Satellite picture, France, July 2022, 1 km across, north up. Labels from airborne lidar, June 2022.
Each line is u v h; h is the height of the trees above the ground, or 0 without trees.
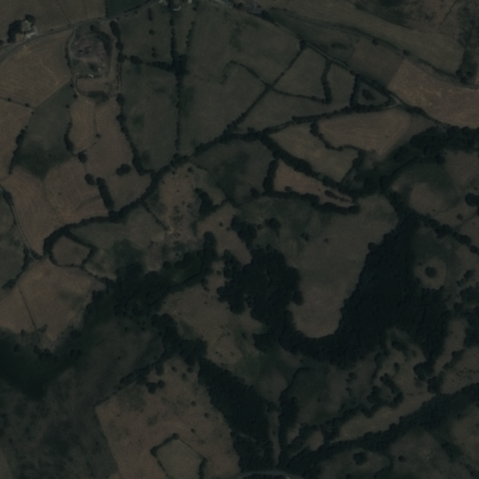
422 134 6
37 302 0
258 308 18
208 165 0
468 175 0
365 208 0
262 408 14
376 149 0
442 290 11
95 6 0
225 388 15
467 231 0
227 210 0
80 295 0
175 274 0
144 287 17
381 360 15
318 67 0
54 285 0
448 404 11
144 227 0
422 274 0
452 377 0
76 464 0
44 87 0
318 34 0
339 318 0
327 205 14
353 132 0
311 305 0
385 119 0
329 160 0
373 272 19
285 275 21
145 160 0
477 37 0
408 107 6
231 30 0
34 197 0
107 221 6
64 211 0
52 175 0
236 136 6
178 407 0
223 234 0
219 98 0
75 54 0
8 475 0
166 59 0
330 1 0
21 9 0
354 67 0
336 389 0
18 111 0
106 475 0
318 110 0
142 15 0
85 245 7
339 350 18
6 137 0
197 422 0
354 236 0
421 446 0
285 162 10
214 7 0
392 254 17
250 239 15
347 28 0
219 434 0
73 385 0
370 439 16
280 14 0
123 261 0
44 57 0
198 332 0
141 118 0
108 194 17
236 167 0
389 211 0
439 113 0
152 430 0
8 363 0
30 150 0
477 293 7
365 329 19
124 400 0
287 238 0
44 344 0
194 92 0
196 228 0
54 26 0
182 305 0
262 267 21
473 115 0
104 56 0
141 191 0
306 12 0
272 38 0
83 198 0
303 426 8
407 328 7
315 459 16
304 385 0
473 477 8
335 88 0
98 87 0
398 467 0
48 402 0
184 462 0
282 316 21
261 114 0
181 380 0
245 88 0
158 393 0
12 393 0
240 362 0
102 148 0
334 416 0
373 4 0
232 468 0
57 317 0
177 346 17
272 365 0
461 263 0
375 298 19
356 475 0
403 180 0
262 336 13
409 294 9
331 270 0
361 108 17
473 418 0
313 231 0
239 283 19
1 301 0
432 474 0
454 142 8
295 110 0
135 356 0
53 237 14
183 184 0
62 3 0
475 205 12
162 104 0
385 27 0
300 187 0
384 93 12
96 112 0
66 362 0
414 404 0
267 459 7
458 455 0
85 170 0
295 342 18
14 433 0
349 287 0
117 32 14
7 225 0
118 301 6
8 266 0
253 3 0
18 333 0
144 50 0
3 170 0
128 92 0
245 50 0
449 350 0
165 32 0
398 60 0
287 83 0
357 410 6
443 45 0
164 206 0
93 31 10
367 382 0
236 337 0
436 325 12
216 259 13
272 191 14
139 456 0
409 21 0
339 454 9
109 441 0
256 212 0
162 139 0
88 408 0
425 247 0
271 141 13
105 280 9
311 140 0
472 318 12
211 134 0
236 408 14
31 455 0
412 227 14
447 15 0
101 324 0
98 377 0
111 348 0
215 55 0
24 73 0
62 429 0
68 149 13
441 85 0
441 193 0
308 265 0
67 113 0
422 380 14
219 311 0
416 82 0
